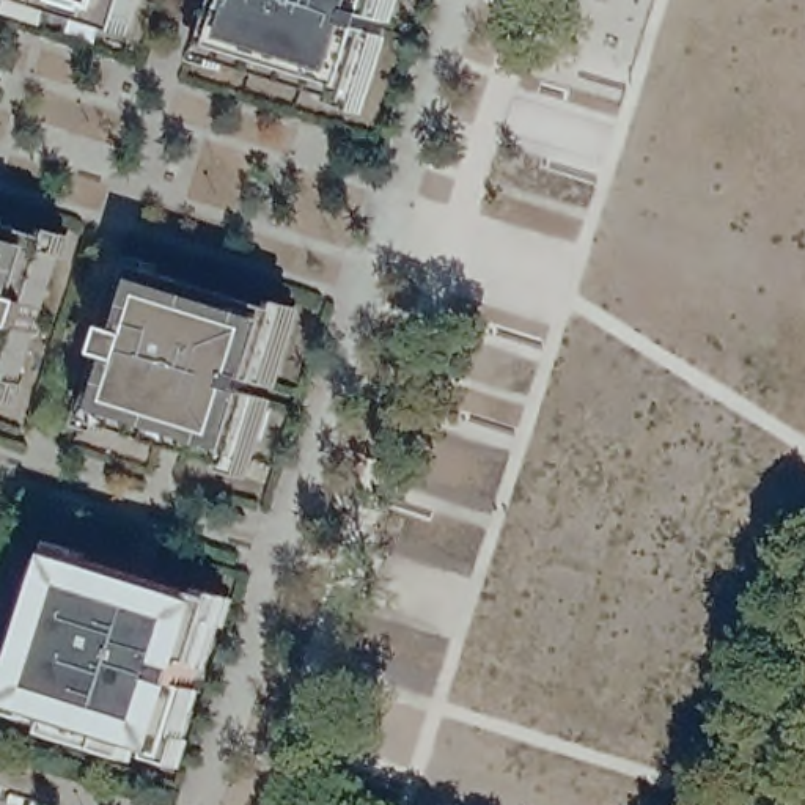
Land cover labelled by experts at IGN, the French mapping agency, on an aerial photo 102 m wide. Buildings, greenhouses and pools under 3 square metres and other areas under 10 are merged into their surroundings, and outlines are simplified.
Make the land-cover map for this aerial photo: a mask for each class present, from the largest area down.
<instances>
[{"label":"herbaceous vegetation","instance_id":"1","mask_svg":"<svg viewBox=\"0 0 805 805\"><path fill-rule=\"evenodd\" d=\"M667 6L663 25L657 31L651 69L645 75V88L629 123L610 198L591 239V258L579 289L588 302L626 321L635 333H645L660 349L708 371L723 387L742 393L764 412L777 415L780 421L805 434V0H660ZM35 119L44 129L60 126L72 135L110 142L119 135L123 126L119 110L110 113L104 107H91L72 97H57L47 91L41 94ZM572 104L588 110L616 113L623 107L613 97L572 91ZM0 160L31 173L41 170V154L31 148L25 151L16 145L13 107L0 110ZM594 195V173L531 157L519 148L516 157H503L497 151L491 160L484 179L487 217L560 239H575L585 220V208ZM283 176H299L289 223L296 233L305 236H321L336 245H355L349 217L340 211H321L318 176L302 173L296 164H286L283 170ZM72 186L57 204L63 211H75L91 223H101L107 198L113 192L101 182L97 173L69 170ZM239 198L261 201L258 217L274 220L270 186L248 182L245 170H239ZM242 252L223 245L220 252H211L182 239L176 242V248L160 242L151 258L135 264L113 242H107L97 252V258H72L69 280L79 289V302L69 311L72 333L63 343V368L69 387L63 393V409L72 412L79 409L91 377V362L82 355L85 330L107 327L119 283L129 280L239 318H248L258 305L270 302L252 280V270L239 261ZM484 321V333H500L513 343L538 349L547 336V324L503 308H487L484 302L478 305V311ZM805 509V459L764 428L745 421L739 412L704 396L673 371L645 358L638 349L619 343L613 333L601 330L585 318H569L535 421V434L506 506V522L500 528V541L484 575L481 597L475 604L459 670L450 686V701L478 714L541 730L566 742L588 745L604 755L651 764L657 767V780L651 783L528 742H516L481 726L443 720L437 730L431 761L418 774L428 783L415 792L409 805H673V767H692L708 745L701 730L704 717L698 714V708L720 698V692H714L708 682L711 657L723 638V626L739 616L736 597L742 594L745 582H752L758 572V538L767 531L770 522H783L786 516ZM469 374L491 387L497 384L516 393H528L535 380V362L516 358L506 349H491L484 343L475 352ZM522 418V409L513 403L465 390L459 418L513 434ZM509 459L506 450L465 440L459 434H447L443 440L431 443V469L425 478L412 484V491H425L431 497L469 509L494 513L497 487L503 481ZM47 475H41L35 487L25 491L13 535L0 528V648L31 557L72 563L173 597H223L226 585L204 557L182 560L164 544L151 531L132 535L113 522V513L126 500L107 497L101 506L88 509L85 519H75L72 513L44 500V491L38 484ZM396 513L409 519L403 525V535L393 538L390 553L465 575L472 572L478 547L484 541V528L443 519L425 506L409 503L406 497L393 503ZM333 638L340 645L324 663L330 673L349 670L368 679L377 676L384 673L409 692L431 695L447 654L443 635L415 629L409 623L380 619L358 623L340 616L333 626ZM425 711L409 714L403 701L393 698L384 711L380 755L377 761L365 758L371 767L380 770H412V752L418 745Z\"/></svg>","mask_w":805,"mask_h":805},{"label":"impervious surface","instance_id":"2","mask_svg":"<svg viewBox=\"0 0 805 805\"><path fill-rule=\"evenodd\" d=\"M179 6L167 13L176 25V47L170 53H148V69L132 72V66L113 57H101V82L91 91H85L72 82V53L66 44H57L41 35L19 38L16 66H0V110L13 107V101L22 97V91L41 94L47 91L57 97H72L91 107H104L110 113L119 110L123 126L132 129L145 123L138 167L132 173H119L113 167L110 142L72 135L60 126L44 129L31 142V148L41 154V170H69L97 173L101 182L113 192L107 198L101 223H91L82 230V239L88 245H97V252L107 242H113L135 264L151 258L160 242L176 248V242L182 239L211 252H220L223 245L230 233L245 226L239 214H233L239 208V170H245V164L261 170L270 164L283 170L286 164H296L302 173L318 176L327 164V135L321 126L296 116H286L274 126H258L255 104H239V132L223 135L211 126V97L201 88L179 82V66L182 60L223 63L220 53L201 50L198 44L201 0H176ZM434 22L428 25V53L409 72L412 94L399 107V132L387 142L396 154L393 176L380 189L368 186L362 176H346V201L340 211L349 217L355 245H336L321 236H305L296 233L289 223L274 220L258 217L248 223L258 245L252 252H242L239 261L252 270V280L270 302L292 305L286 292L289 280L321 289L333 299V314L327 324L330 330L340 340L346 365L330 371V380L311 377L305 406L308 418L299 440V459L283 469L270 509H245V516L233 525L204 528L201 535L208 538L236 544L239 560L248 566L245 619L239 626L242 645H214L208 651V660L223 670V695H217L211 704V730L201 736V767H195L186 777L176 805H261L267 780L280 777L283 770H267L270 758L258 752V708L280 720L289 711V692L305 679V667H311V676L330 673L324 663L340 645L333 638V626L340 616L333 610H324L321 601L308 616L286 613L283 607L270 604L274 582H289V575L302 563L336 569L327 553L302 557V550L296 547L299 516H343V509L324 500V491L318 487L324 475L321 456H327L336 443H352V453H358L362 459L368 456V425L362 418H346L343 412L336 415L333 393L355 384L368 387L371 380H384V365L362 358L358 340L365 343L371 336H390L393 330H406L421 314L434 318L443 311H478V305L484 302L487 308H503L547 324V336L538 349L513 343L500 333H484V343L491 349H506L516 358L535 362V380L528 393H516L497 384L491 387L469 374L459 377V387L465 390L513 403L522 409V418L513 434L459 418L443 421L447 434H459L465 440L506 450L509 459L503 481L497 487L494 513L469 509L431 497L425 491H412L406 497L409 503L425 506L443 519L484 528V541L478 547L472 572L465 575L390 553L371 557L377 575L374 610L380 619L409 623L415 629L443 635L447 654L431 695L409 692L384 673L377 676L384 711L393 698L403 701L409 714L425 711L418 745L412 752V770H380L371 767L365 758L352 761L346 777L362 780V789L371 799L390 805H409L415 792L428 783L418 774L431 761L437 730L443 720L481 726L516 742H528L651 783L657 780V767L651 764L604 755L588 745L566 742L541 730L478 714L450 701V686L459 670L475 604L481 597L484 575L500 541V528L506 522V506L535 434V421L569 318H585L601 330L613 333L619 343L638 349L645 358L673 371L704 396L739 412L745 421L764 428L805 459V434L780 421L777 415L764 412L742 393L723 387L708 371L660 349L645 333H635L626 321L588 302L579 289L591 258V239L610 198L629 123L645 88V75L651 69L657 31L663 25L667 6L660 0H585L582 16L591 19V28L579 41V53L557 57L550 66L525 72L519 79L500 69L494 41L469 44V28L478 19H487L484 0H437ZM469 75L481 91L478 104L459 110L456 129H450L443 126V110H434L431 101L440 91V85L453 88ZM572 91L613 97L623 107L616 113L588 110L572 104ZM453 132H459L462 138V160L450 167L425 164L421 142ZM519 148L531 157L594 173V195L585 208V220L575 239H560L487 217L484 179L491 160L497 151L503 157H516ZM274 632H289L292 648L286 673L264 679V638H270ZM63 211L57 204L41 195V186L31 173L0 160V223L22 233H63ZM176 453L160 450L157 469L145 478V484L126 481L119 475H104V465L101 459L88 456L82 465V481H60L57 443L38 431L22 437L16 418L0 415V491H25L35 487L41 475H47L38 484L44 491V500L72 513L75 519H85L88 509L101 506L107 497L126 500L113 513V522L132 535L151 531L164 544L176 509H167L160 503L164 494L176 491ZM82 440L101 443L113 453L142 459L145 447L97 431V418H88V434ZM380 509L362 506L358 519H349L343 525L340 550H365V541H377ZM0 805H94V796L79 780L60 777L57 783H50L31 770V764L0 774Z\"/></svg>","mask_w":805,"mask_h":805},{"label":"deciduous trees","instance_id":"3","mask_svg":"<svg viewBox=\"0 0 805 805\"><path fill-rule=\"evenodd\" d=\"M142 22L135 41H85L72 53V82L85 91H91L101 82V57H113L132 66V72L148 69V53H170L176 47V25L167 13L179 6L176 0H135ZM393 38L384 41L377 79L371 82L365 113L358 119H349L343 126H333L327 135V164L318 176L321 211H340L346 201V176H362L368 186L380 189L393 176L396 154L387 142L399 132V107L412 94L409 72L428 53V25L434 22L437 0H393ZM487 19H478L469 28V44L494 41L500 69L519 79L525 72L550 66L557 57L579 53V41L591 28V19L582 16L585 0H484ZM19 38L13 19L0 16V66H16ZM481 91L469 75L453 88L440 85V91L431 101L434 110H443V126L450 129H456L459 110L478 104ZM41 94L22 91V97L13 101V107L16 145L25 151L31 148V142L44 129L35 119ZM211 126L223 135L239 132V104L230 94L211 97ZM145 123L132 129L123 126L119 135L110 142L113 167L119 173H132L138 167ZM425 164L450 167L462 160V138L459 132H453L421 142ZM248 182L270 186L274 220L289 223L299 176H283V170L270 164L261 170L245 164V170ZM41 186V195L57 204L72 186L69 170H41L31 173ZM261 201L239 198V208L233 214H239L245 226L230 233L223 245L242 252H252L258 245L248 223L258 217ZM484 343V321L478 311H443L434 318L421 314L406 330H393L390 336H371L365 343L358 340L362 358L384 365V380H371L368 387L355 384L333 393L336 415L343 412L346 418H362L368 425V456L362 459L358 453H352V443H336L327 456H321L324 475L318 487L324 491V500L343 509V516H299L296 547L302 550V557L327 553L336 569L302 563L289 575V582H274L270 604L283 607L286 613L308 616L321 601L324 610H333L340 616L358 623L380 619L374 610L377 575L371 557L390 553L393 538L403 535V525L409 519L396 513L393 503L406 497L412 491V484L425 478L431 469V443L443 440L447 434L443 421L459 418L465 390L459 387V377L469 374L475 352ZM362 506L380 509L377 541H365V550H340L343 525L349 519H358ZM346 365L340 340L330 330L311 349L302 340L289 349L283 377L274 384V393L292 396L305 406L311 377L330 380V371ZM69 387L63 368H38L25 415L16 418L22 437L38 431L57 443L60 481H82V465L88 456L101 459L104 465L113 453L101 443L82 440L69 431L72 412L63 409V393ZM25 491H0V528L13 535ZM167 509H176L164 544L182 560L204 557L208 538L201 535L204 528L233 525L245 516V509H252L248 500L239 497L217 494L214 500H208L204 491H176L164 494L160 503ZM758 572L752 582H745L742 594L736 597L739 616L723 626V638L711 657L708 682L714 692H720V698L698 708V714L704 717L701 730L708 745L692 767H673V805H805V509L786 516L783 522H770L767 531L758 538ZM292 648L289 632H274L270 638H264V679L286 673ZM384 711L377 676L368 679L349 670L311 676V667H305V679L289 692V711L280 720L258 708V752L270 758L267 770H283L280 777L267 780L261 805H390L371 799L362 789V780L346 777L352 761L365 758L377 761L380 755ZM223 679L195 692V704L186 726V748L173 770L145 761H110L85 755L31 736L28 723L0 717V774L31 764V770L50 783H57L60 777L79 780L94 796V805H176L186 777L195 767H201V736L211 730V704L217 695H223Z\"/></svg>","mask_w":805,"mask_h":805},{"label":"building","instance_id":"4","mask_svg":"<svg viewBox=\"0 0 805 805\"><path fill-rule=\"evenodd\" d=\"M0 16L13 19L63 25L69 35H79L85 41H135L142 22L135 0H0ZM198 44L201 50L220 53L223 63L182 60L179 66L208 72L220 82L252 85L274 97L302 94V104L327 113H343L349 119H358L365 113L371 82L377 79L384 41L393 38V0H201ZM79 236L63 233H22L0 223V415L16 418L25 415L38 368L44 355V340L38 327V311L41 305L60 308L69 280L72 258ZM302 340L299 311L292 305L270 302L258 305L248 318H239L129 280L119 283L107 327L85 330L82 355L91 362V377L79 409L72 412L69 431L82 440L88 434V418H107L113 428L135 425L154 440H179L192 450L211 453L220 462V478L242 491L248 481H264L267 475V465L255 462V453L267 450V431L283 418V409H274L267 403L274 393V384L283 377L289 349ZM230 610L223 597H173L72 563L31 557L0 648V717L28 723L31 736L85 755L110 761H145L173 770L186 748V726L195 704V692L223 679V670L208 660V651L214 645V635Z\"/></svg>","mask_w":805,"mask_h":805},{"label":"brushwood","instance_id":"5","mask_svg":"<svg viewBox=\"0 0 805 805\"><path fill-rule=\"evenodd\" d=\"M19 38L41 35L57 44H66L72 53L85 41L79 35H69L63 25L13 19ZM179 82L201 88L211 97L230 94L239 104H255L258 126H274L286 116H296L321 126L327 135L333 126H343L349 119L343 113H327L302 104V94L274 97L252 85L220 82L208 72L179 66ZM63 233L79 236L72 258H97V245H88L82 239V230L91 223L75 211H63ZM79 302V289L69 280L60 308L41 305L38 311V327L44 340V355L38 368H63V343L72 333L69 311ZM286 292L292 305L299 311L302 340L311 349L330 330L327 324L333 314V299L321 289L289 280ZM267 403L274 409H283V418L267 431V450L255 453V462L267 465V475L264 481H248L242 491L220 478V462L211 453L192 450L179 440H154L135 425L113 428L107 418H97V431L145 447L142 459L113 453L104 465V475H119L126 481L145 484V478L157 469L160 450L176 453V491H204L208 500H214L217 494L239 497L248 500L252 509H270L283 469L299 459V440L308 418L305 406L292 396L274 393ZM204 557L226 585L223 597L230 610L214 635V645H242L239 626L245 619L248 566L239 560L236 544L208 538Z\"/></svg>","mask_w":805,"mask_h":805}]
</instances>
